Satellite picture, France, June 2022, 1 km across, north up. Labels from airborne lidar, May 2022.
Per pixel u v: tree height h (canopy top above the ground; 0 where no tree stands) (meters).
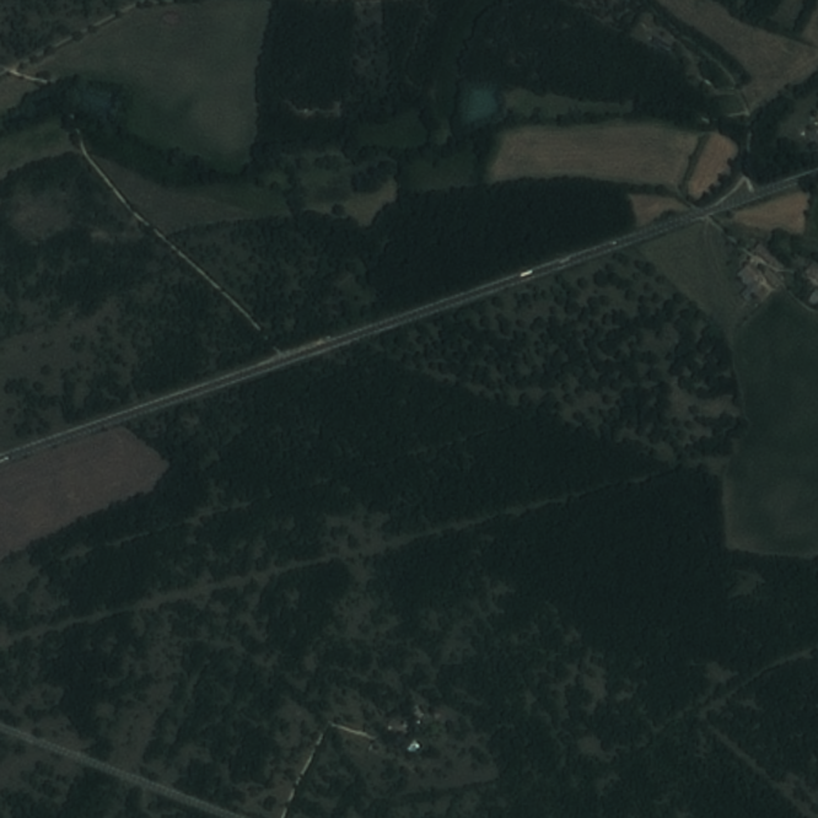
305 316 12
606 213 17
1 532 0
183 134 0
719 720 10
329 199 0
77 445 0
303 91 11
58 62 0
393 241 8
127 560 9
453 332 14
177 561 8
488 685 7
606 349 17
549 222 16
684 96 19
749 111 0
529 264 13
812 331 0
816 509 0
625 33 9
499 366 12
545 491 12
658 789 7
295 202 24
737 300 0
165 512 15
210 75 0
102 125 23
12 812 8
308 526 10
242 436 9
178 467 15
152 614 8
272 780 7
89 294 9
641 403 17
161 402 0
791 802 9
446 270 16
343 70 12
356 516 7
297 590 7
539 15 8
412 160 13
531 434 15
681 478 18
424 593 11
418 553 8
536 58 8
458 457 11
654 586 15
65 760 0
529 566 11
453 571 12
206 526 10
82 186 11
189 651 8
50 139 0
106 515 9
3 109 0
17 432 9
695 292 0
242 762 9
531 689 6
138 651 8
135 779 0
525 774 9
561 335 13
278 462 9
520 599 8
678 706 10
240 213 0
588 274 0
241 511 10
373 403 12
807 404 0
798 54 0
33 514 0
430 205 14
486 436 12
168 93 0
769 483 0
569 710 10
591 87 14
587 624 9
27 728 0
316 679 8
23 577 0
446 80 0
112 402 8
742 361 0
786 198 0
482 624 9
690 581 17
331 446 12
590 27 13
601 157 0
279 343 10
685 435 9
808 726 12
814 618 11
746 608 9
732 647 12
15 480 0
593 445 14
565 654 7
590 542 14
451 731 7
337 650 7
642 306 10
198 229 10
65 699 10
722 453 11
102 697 11
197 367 7
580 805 6
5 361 0
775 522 0
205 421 9
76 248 9
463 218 15
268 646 8
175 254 8
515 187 14
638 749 7
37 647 6
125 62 0
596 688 0
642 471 17
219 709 7
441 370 16
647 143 0
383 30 11
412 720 8
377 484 14
